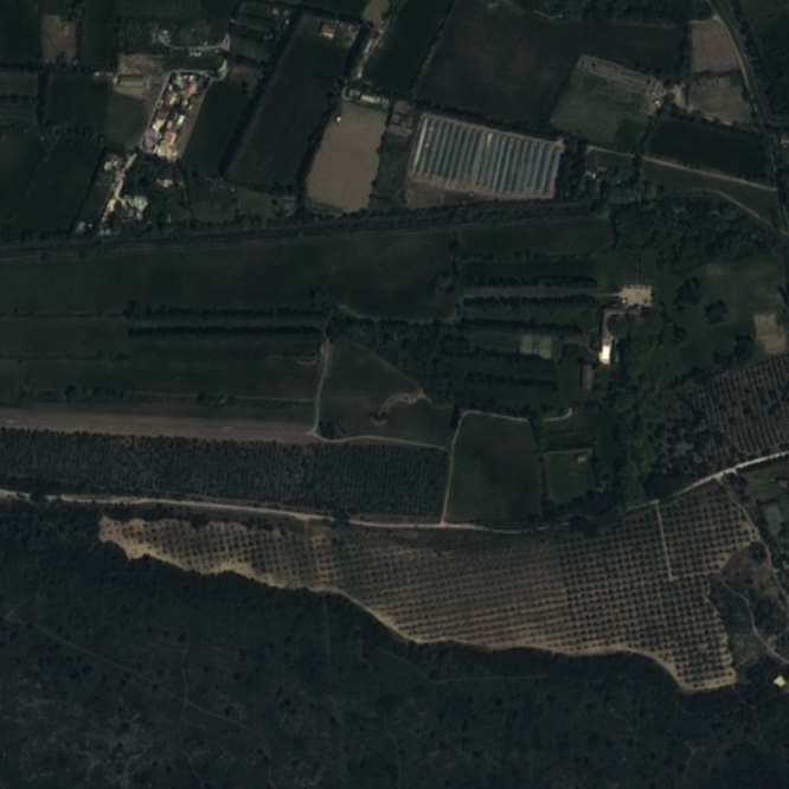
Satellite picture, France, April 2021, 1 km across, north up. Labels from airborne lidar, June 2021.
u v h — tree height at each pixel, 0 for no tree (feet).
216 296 0
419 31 0
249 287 0
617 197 56
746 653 0
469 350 50
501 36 0
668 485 40
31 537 37
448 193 0
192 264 0
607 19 39
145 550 0
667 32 0
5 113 0
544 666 17
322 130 22
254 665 0
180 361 0
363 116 0
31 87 0
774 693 18
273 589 19
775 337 0
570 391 0
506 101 0
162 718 0
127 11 0
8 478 22
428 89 0
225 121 0
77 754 0
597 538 26
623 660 26
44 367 0
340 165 0
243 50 0
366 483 18
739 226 38
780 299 0
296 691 0
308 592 21
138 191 33
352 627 25
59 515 19
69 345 0
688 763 0
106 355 30
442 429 0
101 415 0
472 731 32
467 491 0
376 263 0
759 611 17
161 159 39
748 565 0
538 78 0
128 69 0
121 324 0
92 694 0
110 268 0
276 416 0
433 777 0
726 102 0
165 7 0
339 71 0
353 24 45
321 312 26
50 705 0
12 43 0
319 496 20
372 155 0
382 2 0
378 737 0
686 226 40
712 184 0
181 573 22
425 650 31
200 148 0
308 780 0
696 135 0
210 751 0
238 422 0
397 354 31
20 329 0
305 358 20
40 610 0
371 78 0
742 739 0
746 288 0
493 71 0
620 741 0
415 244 0
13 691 0
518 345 25
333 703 0
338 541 23
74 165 0
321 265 0
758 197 0
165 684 0
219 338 58
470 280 33
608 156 0
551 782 0
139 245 28
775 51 0
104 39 0
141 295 0
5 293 0
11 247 17
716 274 0
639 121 0
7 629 29
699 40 0
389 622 0
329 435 21
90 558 18
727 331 0
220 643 0
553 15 32
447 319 0
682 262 37
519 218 21
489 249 0
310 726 0
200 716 0
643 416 22
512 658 24
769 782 18
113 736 0
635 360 96
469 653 24
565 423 0
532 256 31
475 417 0
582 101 0
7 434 25
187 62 0
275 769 0
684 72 49
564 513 34
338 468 20
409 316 0
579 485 0
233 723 0
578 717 0
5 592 0
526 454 0
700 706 20
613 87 0
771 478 0
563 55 0
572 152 39
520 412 28
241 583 29
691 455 19
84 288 0
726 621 19
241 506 0
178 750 0
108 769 0
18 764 0
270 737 0
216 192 0
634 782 0
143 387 0
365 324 30
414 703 0
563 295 0
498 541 0
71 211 0
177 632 0
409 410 0
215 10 0
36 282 0
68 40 0
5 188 0
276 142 0
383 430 0
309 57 0
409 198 0
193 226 28
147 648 0
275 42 26
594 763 22
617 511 35
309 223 18
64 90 0
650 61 0
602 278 0
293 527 0
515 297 0
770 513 0
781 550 49
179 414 0
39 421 0
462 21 0
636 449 39
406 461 20
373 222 19
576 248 0
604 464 40
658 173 0
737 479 34
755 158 0
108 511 20
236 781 0
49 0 0
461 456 0
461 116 60
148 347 0
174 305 0
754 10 0
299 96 0
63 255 27
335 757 0
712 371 21
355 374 0
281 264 0
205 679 0
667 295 0
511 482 0
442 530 0
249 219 39
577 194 43
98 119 0
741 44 0
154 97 0
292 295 0
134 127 0
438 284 33
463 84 0
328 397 0
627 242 66
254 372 0
